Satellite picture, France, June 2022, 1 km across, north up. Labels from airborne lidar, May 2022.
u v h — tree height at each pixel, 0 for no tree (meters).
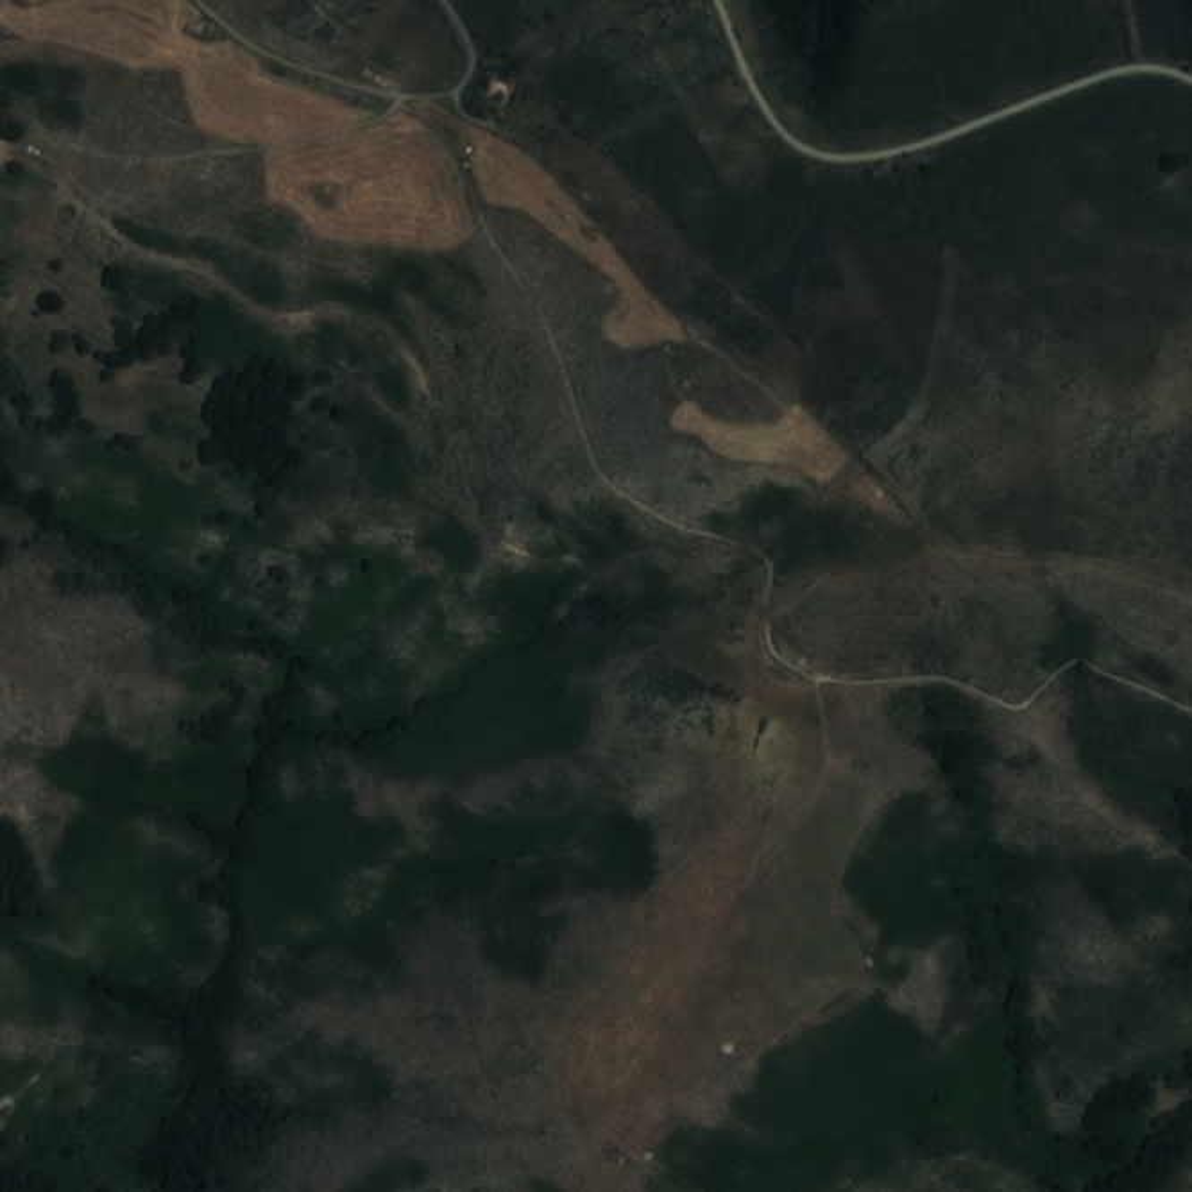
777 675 0
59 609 0
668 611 0
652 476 0
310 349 0
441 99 0
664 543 0
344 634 0
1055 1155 0
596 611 14
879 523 0
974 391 0
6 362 0
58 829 0
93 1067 0
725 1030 0
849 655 0
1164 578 0
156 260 0
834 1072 0
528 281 0
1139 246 0
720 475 0
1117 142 0
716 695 0
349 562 0
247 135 0
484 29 0
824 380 0
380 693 0
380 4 0
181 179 0
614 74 0
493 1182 0
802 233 0
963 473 0
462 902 0
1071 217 0
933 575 0
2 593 0
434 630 0
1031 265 0
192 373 12
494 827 0
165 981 0
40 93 0
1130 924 0
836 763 0
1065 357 0
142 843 0
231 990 20
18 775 0
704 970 0
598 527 0
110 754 0
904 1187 0
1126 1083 11
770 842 0
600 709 0
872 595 0
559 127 0
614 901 0
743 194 0
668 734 0
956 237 0
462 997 0
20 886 19
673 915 0
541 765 0
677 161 0
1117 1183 23
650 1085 0
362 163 0
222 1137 12
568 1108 0
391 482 0
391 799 0
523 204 0
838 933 0
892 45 0
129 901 0
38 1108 0
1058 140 0
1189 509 0
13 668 0
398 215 0
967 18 0
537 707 0
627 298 0
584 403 0
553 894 0
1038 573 0
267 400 15
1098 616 0
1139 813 0
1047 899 0
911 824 0
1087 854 0
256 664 0
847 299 0
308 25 0
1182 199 0
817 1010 0
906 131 0
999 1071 0
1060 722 0
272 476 17
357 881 0
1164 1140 21
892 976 0
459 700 0
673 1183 0
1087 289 0
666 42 0
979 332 0
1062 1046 0
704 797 0
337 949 0
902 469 0
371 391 0
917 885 0
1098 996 0
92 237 0
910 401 0
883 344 0
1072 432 0
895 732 0
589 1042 0
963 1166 0
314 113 0
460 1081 0
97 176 0
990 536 0
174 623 7
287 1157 0
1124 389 0
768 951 0
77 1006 0
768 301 0
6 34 0
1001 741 0
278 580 14
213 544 0
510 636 0
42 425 10
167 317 9
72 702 0
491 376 0
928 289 0
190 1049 15
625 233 0
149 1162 10
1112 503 0
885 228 0
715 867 0
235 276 0
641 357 0
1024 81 0
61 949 0
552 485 0
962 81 0
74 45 0
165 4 0
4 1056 0
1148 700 0
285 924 0
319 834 0
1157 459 0
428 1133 0
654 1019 0
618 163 0
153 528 0
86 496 0
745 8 0
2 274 0
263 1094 9
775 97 0
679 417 0
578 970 0
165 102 0
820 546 0
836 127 0
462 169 0
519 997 0
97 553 8
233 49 0
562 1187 0
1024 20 0
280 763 0
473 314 0
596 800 0
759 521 0
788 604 0
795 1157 0
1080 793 0
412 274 0
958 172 0
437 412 0
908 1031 0
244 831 22
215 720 14
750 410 0
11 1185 18
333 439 0
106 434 0
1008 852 0
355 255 0
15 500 10
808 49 8
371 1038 0
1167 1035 0
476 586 0
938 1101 12
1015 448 0
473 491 0
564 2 0
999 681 0
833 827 0
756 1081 0
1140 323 0
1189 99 0
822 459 0
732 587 0
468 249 0
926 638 0
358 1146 0
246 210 0
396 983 0
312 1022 0
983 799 0
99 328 0
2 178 0
